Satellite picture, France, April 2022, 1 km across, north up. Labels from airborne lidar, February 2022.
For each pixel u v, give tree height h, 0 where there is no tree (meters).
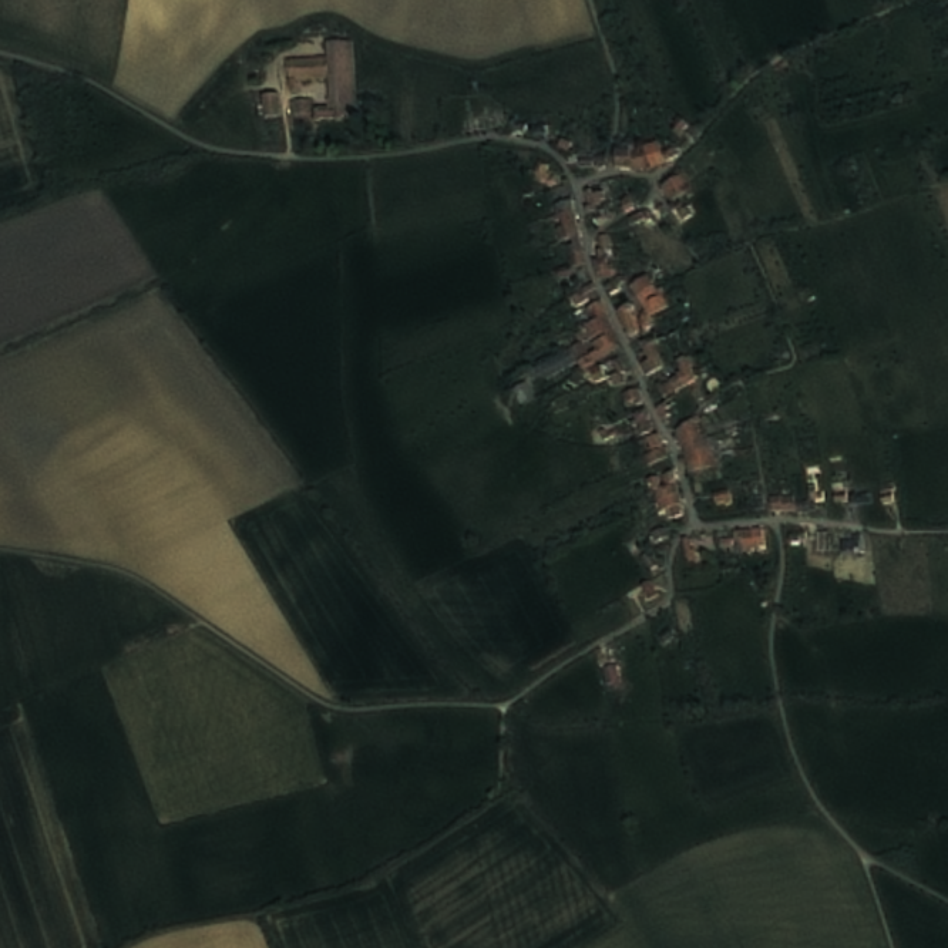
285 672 0
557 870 0
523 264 0
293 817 0
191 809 0
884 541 0
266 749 0
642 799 0
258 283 0
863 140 0
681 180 0
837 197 0
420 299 0
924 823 6
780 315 16
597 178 0
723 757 0
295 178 0
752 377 9
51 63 0
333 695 0
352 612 0
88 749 0
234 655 0
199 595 0
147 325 0
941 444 0
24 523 0
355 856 0
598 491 0
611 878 0
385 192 0
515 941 0
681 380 0
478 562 0
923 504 0
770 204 0
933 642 0
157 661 0
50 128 9
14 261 0
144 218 0
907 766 0
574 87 0
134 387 0
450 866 0
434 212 0
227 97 0
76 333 0
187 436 0
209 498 0
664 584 0
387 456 0
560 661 0
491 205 0
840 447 0
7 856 0
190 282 0
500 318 0
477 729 0
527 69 0
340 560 0
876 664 0
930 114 0
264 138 0
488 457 0
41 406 0
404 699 0
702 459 0
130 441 0
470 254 0
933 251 0
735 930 0
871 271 0
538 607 0
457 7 0
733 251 13
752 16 0
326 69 0
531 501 0
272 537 0
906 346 0
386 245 0
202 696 0
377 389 0
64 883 0
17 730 0
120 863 0
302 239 0
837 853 0
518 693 0
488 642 0
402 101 0
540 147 0
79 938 0
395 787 0
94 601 0
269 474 0
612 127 6
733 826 0
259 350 0
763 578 11
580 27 0
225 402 0
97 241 0
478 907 0
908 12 6
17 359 0
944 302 0
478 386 0
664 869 0
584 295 0
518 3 0
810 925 0
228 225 0
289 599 0
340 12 0
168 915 0
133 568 0
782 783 0
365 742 0
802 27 0
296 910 0
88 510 0
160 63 0
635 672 0
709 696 15
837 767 0
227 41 0
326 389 0
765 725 0
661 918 0
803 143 0
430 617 0
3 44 0
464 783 0
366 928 0
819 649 0
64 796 0
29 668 0
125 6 0
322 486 0
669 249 0
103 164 0
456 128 0
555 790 0
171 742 0
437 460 0
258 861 0
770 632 0
